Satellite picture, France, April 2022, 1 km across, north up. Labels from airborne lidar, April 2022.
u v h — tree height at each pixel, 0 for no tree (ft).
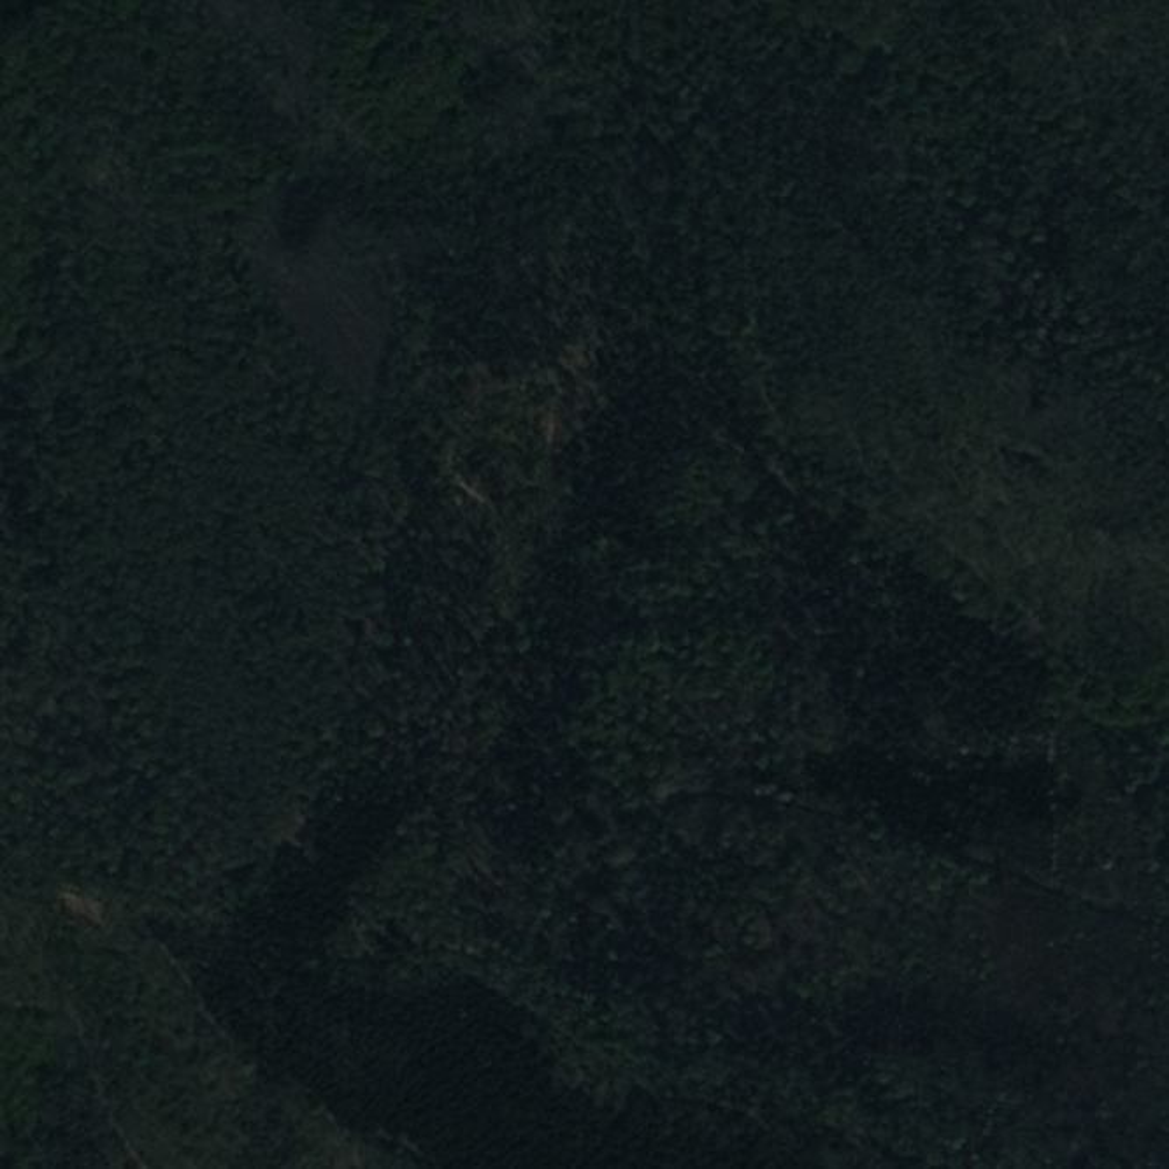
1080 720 57
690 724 103
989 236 67
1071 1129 84
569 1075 50
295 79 33
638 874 35
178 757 85
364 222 79
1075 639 53
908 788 46
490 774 49
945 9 58
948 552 66
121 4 76
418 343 62
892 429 47
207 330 77
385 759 58
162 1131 45
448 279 88
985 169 80
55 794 89
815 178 52
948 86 96
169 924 52
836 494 73
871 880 99
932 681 90
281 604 73
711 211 69
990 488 35
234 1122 52
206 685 52
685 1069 68
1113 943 59
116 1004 54
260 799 46
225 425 61
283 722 73
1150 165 89
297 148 43
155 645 72
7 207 91
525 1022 65
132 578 70
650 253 92
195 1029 36
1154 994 76
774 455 102
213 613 61
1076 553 38
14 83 64
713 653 106
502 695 79
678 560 95
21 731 103
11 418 104
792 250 27
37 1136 28
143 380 84
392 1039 64
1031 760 48
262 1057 54
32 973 55
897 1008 73
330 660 72
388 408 58
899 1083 60
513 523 78
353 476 48
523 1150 60
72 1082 50
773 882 83
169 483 92
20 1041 22
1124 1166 87
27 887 54
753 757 94
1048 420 61
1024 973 70
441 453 67
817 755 51
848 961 102
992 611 74
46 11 62
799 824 44
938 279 58
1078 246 66
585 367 79
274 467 74
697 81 36
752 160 65
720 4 50
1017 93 76
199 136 81
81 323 86
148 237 60
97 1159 62
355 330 26
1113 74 34
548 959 75
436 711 48
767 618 63
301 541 61
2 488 90
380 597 114
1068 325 95
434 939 51
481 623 69
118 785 107
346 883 47
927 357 43
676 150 45
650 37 42
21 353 70
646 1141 61
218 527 87
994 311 62
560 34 54
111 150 67
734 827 88
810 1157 52
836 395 56
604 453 109
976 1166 56
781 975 41
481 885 87
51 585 113
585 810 41
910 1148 49
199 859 104
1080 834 52
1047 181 66
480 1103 59
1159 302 43
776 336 49
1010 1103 75
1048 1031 78
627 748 98
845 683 146
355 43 62
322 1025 50
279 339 95
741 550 73
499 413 35
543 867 63
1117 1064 75
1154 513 45
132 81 77
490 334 67
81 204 88
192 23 61
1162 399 83
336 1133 46
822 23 58
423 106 62
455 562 43
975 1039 76
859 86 66
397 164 68
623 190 97
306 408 93
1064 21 51
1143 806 106
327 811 51
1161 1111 100
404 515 87
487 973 40
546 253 45
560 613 111
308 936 55
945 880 99
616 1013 66
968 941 75
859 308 52
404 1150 51
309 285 60
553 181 85
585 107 78
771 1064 78
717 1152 70
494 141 74
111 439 89
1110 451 59
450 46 60
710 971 64
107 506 82
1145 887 54
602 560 86
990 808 26
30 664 116
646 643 94
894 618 111
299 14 49
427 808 59
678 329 95
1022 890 58
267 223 81
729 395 112
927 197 78
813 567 111
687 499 73
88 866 87
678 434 87
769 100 66
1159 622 46
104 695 109
